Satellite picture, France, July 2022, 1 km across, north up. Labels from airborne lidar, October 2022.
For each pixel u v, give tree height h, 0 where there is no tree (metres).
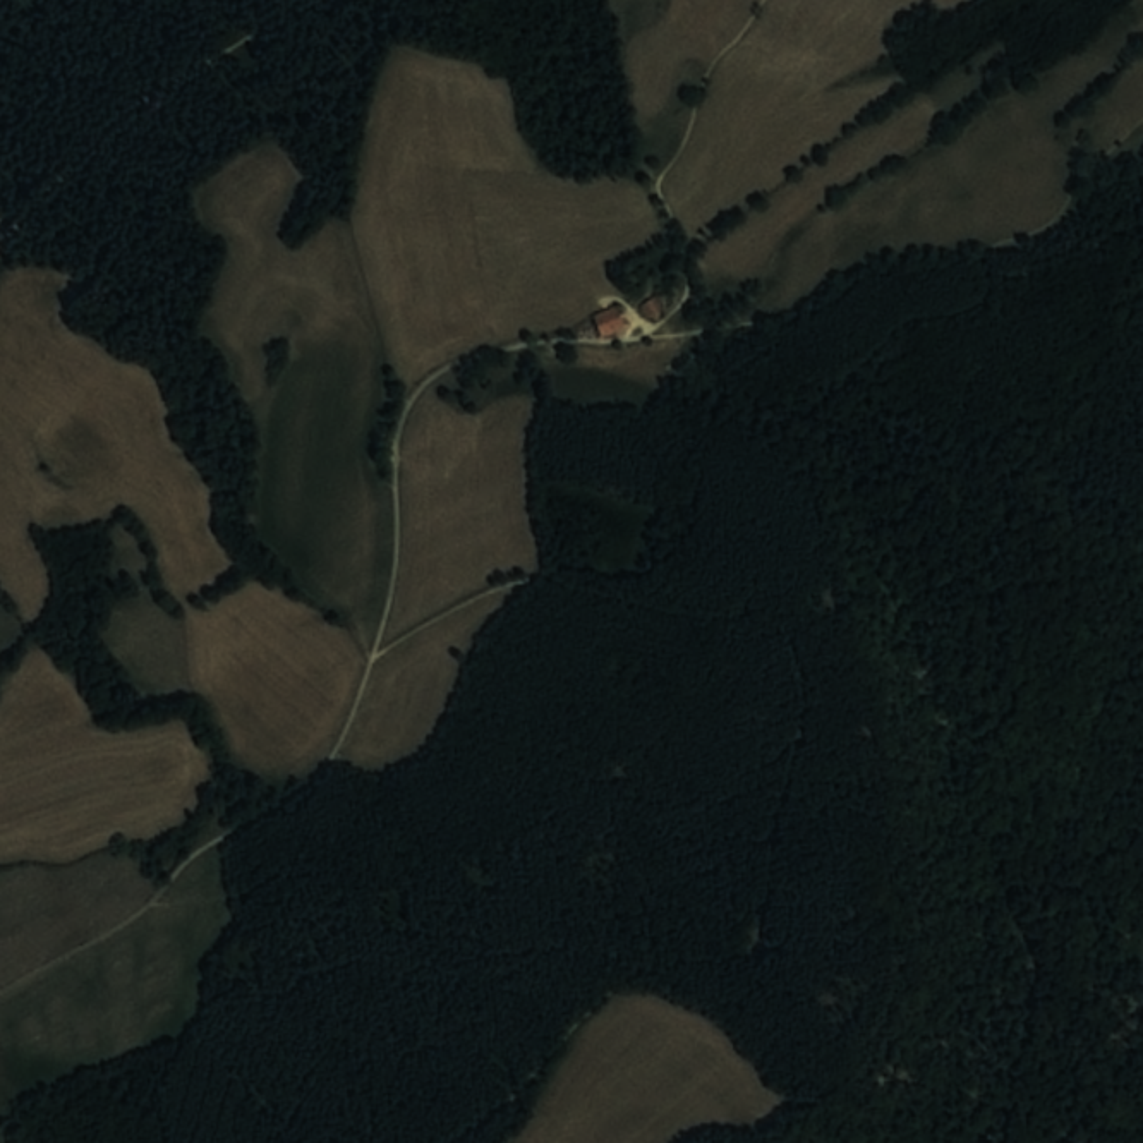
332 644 0
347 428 0
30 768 0
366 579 0
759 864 24
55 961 0
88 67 35
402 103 0
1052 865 28
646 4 0
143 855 12
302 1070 19
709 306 16
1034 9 16
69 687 0
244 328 0
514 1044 23
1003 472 25
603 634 13
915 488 13
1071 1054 26
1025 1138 28
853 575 27
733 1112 0
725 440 21
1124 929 24
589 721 16
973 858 27
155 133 36
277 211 0
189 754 0
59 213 32
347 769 15
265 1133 16
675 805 22
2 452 0
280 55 32
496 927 22
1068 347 11
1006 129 0
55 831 0
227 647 0
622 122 10
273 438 0
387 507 0
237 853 11
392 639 0
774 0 0
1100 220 19
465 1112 22
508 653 15
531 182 0
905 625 21
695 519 20
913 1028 18
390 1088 24
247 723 0
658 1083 0
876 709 11
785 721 17
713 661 18
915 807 18
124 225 32
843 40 0
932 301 17
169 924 0
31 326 0
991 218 0
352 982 23
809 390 27
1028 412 16
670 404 18
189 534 0
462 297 0
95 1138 10
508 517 0
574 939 24
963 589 25
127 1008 0
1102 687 23
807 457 21
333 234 0
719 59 0
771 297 0
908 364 13
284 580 9
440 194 0
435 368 0
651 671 20
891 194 0
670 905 20
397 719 0
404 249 0
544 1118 0
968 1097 26
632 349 0
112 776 0
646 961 18
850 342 19
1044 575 23
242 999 20
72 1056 0
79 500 0
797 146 0
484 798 17
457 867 20
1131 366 31
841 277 16
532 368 22
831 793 17
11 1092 0
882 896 28
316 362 0
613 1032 0
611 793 19
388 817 16
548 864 19
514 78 11
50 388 0
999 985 25
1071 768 22
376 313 0
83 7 29
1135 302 20
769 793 15
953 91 0
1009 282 16
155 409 0
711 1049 0
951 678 19
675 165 0
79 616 19
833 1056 20
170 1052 17
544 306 0
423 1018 21
